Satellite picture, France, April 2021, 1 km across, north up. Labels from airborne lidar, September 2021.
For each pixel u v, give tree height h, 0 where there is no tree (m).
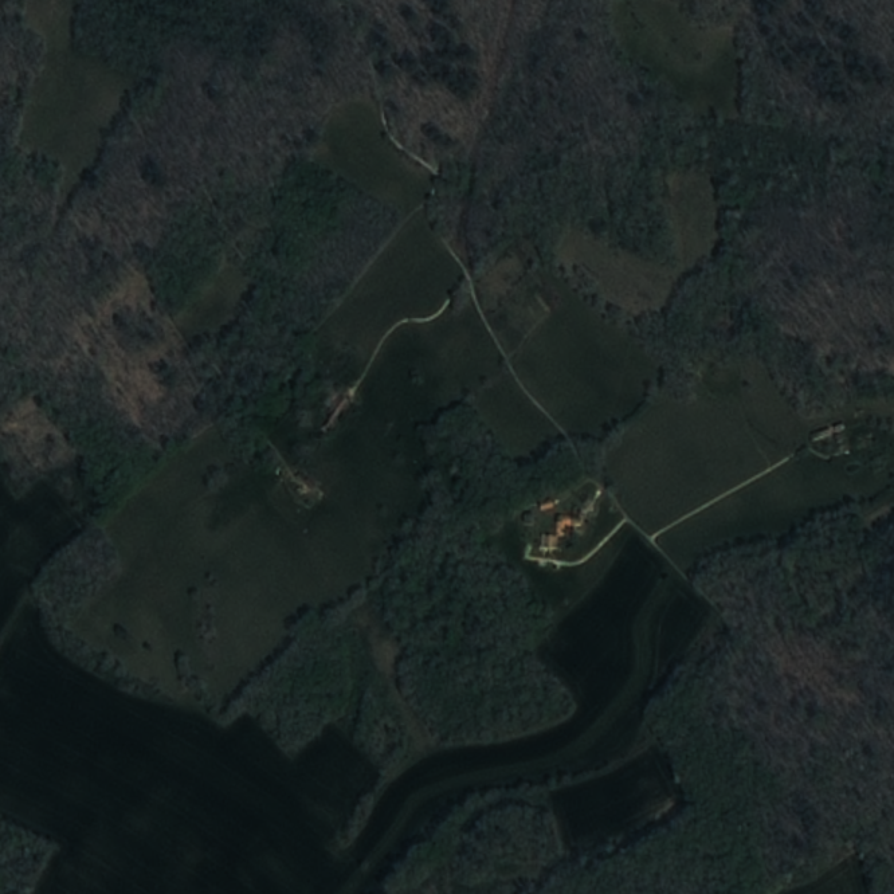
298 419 21
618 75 15
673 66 0
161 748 0
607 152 25
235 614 0
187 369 24
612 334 0
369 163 0
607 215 15
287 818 0
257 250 15
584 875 22
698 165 9
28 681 0
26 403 23
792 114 15
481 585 22
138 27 13
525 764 0
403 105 12
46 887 0
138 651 0
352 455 0
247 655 0
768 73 13
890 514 0
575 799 0
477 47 17
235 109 21
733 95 0
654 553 0
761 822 20
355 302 0
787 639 22
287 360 18
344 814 0
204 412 22
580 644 0
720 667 13
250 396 24
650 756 0
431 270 0
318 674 22
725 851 25
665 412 0
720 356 24
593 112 15
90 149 0
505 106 11
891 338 21
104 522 16
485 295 0
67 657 13
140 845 0
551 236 22
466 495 14
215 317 0
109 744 0
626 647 0
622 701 0
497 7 15
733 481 0
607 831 0
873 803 17
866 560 20
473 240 13
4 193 22
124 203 12
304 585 0
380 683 9
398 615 14
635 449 0
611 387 0
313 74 14
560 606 0
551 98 11
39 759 0
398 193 0
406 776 0
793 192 10
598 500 0
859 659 23
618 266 0
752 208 12
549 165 12
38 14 0
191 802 0
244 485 0
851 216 13
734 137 11
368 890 0
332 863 0
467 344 0
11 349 15
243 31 16
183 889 0
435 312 0
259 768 0
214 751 0
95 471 22
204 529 0
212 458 0
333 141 0
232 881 0
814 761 18
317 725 17
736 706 20
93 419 21
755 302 16
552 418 0
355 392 0
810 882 15
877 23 23
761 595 21
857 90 23
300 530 0
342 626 15
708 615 0
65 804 0
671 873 27
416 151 14
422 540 14
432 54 16
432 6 27
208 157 17
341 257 18
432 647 22
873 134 18
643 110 26
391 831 0
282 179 11
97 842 0
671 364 18
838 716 20
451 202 16
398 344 0
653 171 21
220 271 16
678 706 24
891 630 16
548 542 0
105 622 0
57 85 0
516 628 24
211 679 0
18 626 0
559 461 20
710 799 23
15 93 12
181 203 15
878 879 25
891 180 18
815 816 22
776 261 19
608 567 0
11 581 0
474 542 17
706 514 0
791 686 14
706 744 23
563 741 0
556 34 11
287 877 0
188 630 0
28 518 0
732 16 21
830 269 13
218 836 0
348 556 0
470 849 18
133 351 18
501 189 15
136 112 23
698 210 0
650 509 0
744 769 20
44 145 0
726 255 22
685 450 0
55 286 20
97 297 21
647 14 0
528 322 0
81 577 17
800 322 19
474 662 17
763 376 0
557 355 0
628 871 23
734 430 0
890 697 17
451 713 16
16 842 22
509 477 26
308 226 21
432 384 0
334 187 15
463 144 12
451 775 0
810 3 14
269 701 18
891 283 16
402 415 0
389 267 0
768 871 20
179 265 18
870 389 22
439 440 15
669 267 15
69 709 0
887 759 16
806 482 0
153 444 19
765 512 0
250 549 0
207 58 13
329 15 20
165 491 0
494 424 0
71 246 19
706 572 14
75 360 19
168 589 0
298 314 21
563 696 21
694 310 25
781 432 0
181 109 13
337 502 0
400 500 0
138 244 15
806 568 23
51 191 18
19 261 17
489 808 8
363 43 22
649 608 0
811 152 9
